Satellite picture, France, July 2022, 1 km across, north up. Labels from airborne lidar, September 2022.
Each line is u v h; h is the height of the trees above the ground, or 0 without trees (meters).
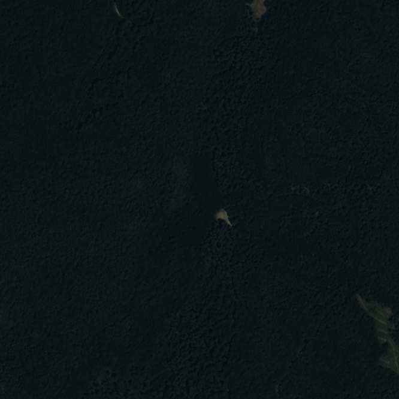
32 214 13
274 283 12
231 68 14
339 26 16
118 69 8
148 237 18
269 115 12
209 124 22
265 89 20
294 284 12
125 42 25
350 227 20
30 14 24
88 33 18
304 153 17
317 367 15
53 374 13
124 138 19
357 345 17
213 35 16
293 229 10
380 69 15
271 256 23
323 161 11
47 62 19
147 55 19
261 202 13
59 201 16
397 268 14
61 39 21
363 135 20
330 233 15
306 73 16
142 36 8
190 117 13
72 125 9
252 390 20
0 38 23
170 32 21
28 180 16
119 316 17
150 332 19
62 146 22
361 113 22
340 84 12
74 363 16
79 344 11
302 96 15
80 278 12
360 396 13
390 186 17
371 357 20
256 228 14
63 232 11
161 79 23
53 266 18
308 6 22
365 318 21
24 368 22
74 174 20
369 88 21
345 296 11
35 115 12
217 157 32
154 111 18
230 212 19
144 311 19
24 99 24
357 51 18
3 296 13
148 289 19
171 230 15
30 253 10
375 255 14
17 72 24
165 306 20
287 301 13
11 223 17
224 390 21
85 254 9
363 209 24
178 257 19
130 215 10
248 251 21
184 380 31
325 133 17
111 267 11
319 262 21
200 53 14
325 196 12
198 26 15
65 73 15
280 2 23
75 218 16
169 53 20
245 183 21
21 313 17
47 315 14
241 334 23
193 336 34
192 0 18
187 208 18
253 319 17
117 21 9
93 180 15
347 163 20
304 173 14
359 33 21
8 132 13
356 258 14
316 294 14
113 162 21
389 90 18
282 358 20
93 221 14
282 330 17
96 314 8
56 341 21
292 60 17
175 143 13
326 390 18
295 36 16
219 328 23
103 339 20
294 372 19
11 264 12
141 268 19
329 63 24
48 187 16
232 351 25
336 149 19
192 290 22
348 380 19
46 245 12
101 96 27
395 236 15
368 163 20
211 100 30
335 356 20
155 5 19
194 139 16
